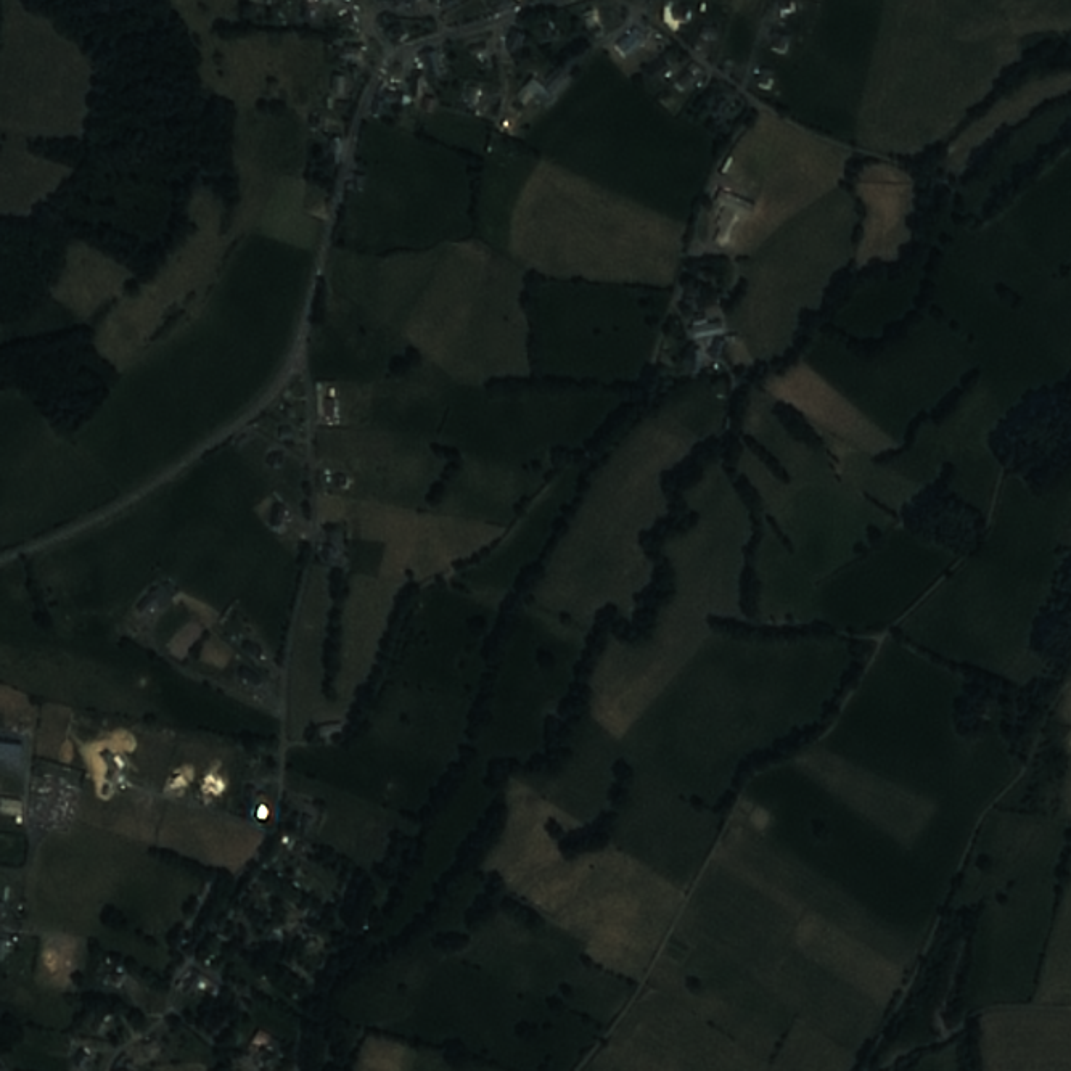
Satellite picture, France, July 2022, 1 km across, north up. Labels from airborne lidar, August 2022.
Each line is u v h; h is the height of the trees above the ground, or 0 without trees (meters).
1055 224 0
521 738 0
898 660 0
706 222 0
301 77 0
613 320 0
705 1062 0
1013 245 0
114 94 24
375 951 11
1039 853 0
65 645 0
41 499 0
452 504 0
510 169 0
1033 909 0
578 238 0
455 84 8
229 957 11
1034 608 0
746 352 0
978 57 0
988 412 0
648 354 0
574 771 0
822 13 0
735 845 0
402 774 0
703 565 0
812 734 13
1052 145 7
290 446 7
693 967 0
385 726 0
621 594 0
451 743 0
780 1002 0
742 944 0
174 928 7
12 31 0
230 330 0
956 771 0
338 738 14
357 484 0
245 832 0
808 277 0
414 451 0
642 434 0
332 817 0
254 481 0
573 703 19
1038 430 27
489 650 17
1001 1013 0
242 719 0
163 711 0
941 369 0
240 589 0
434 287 0
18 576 0
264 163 0
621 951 0
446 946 19
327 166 11
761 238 0
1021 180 20
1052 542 0
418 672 0
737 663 0
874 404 0
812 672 0
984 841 0
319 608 0
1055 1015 0
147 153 23
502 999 0
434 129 0
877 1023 0
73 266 0
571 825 0
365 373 0
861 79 0
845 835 0
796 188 0
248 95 0
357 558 0
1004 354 0
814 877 0
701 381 13
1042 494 15
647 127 0
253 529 0
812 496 0
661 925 0
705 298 16
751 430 0
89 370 15
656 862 0
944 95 0
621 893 0
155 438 0
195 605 0
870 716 0
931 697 0
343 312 0
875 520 0
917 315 11
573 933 0
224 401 0
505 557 0
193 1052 0
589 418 0
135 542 0
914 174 15
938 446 0
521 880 0
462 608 0
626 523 0
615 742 0
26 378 18
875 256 0
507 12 0
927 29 0
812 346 13
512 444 0
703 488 0
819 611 0
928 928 0
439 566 0
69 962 0
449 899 16
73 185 12
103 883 0
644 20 7
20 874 0
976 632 0
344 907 10
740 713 0
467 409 0
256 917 15
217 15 0
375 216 0
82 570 0
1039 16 0
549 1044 0
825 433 0
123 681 0
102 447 0
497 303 0
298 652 0
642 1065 0
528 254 0
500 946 0
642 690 0
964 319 0
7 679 0
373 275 0
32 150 8
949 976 0
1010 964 0
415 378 0
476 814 0
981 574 0
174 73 26
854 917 0
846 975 0
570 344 0
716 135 7
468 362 0
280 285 0
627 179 0
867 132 0
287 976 16
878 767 0
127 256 18
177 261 0
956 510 27
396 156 0
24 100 0
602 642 9
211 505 0
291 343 0
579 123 0
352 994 0
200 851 0
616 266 0
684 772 0
